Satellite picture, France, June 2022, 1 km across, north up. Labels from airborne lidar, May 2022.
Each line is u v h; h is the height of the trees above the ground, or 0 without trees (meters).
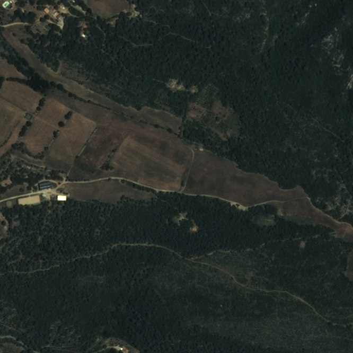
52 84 13
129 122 0
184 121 8
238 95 8
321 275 6
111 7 0
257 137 11
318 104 6
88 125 0
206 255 9
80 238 9
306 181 7
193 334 12
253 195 0
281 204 0
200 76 6
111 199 0
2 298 6
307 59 6
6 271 6
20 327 14
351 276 0
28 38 7
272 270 5
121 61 11
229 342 8
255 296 6
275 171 8
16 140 0
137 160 0
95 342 17
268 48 11
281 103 5
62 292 12
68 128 0
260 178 0
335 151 8
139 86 8
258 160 8
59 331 14
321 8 7
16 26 0
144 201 7
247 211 8
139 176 0
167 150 0
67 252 15
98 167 0
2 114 0
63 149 0
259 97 6
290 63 8
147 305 7
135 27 15
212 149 9
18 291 13
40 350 8
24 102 0
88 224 10
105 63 11
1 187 9
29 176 8
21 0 8
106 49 8
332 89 9
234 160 7
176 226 10
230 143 17
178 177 0
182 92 7
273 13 10
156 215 13
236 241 12
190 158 0
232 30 6
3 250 9
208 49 12
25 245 15
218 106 0
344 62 6
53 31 9
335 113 9
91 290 11
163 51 9
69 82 0
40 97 0
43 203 9
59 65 8
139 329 9
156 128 9
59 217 11
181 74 6
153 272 14
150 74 7
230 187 0
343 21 18
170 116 0
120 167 0
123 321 11
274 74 10
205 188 0
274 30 12
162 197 9
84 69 7
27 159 0
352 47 9
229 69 9
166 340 16
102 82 7
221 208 10
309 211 0
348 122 6
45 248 9
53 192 0
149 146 0
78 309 7
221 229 9
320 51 6
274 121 7
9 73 0
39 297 9
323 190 6
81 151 0
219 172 0
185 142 0
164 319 12
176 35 6
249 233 7
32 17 13
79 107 0
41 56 10
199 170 0
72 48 10
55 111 0
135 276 10
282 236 15
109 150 0
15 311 6
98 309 8
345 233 0
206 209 11
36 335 12
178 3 11
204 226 16
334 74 6
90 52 6
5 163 10
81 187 0
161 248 16
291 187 7
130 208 10
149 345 20
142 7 8
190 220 9
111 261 7
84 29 7
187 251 9
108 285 7
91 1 0
